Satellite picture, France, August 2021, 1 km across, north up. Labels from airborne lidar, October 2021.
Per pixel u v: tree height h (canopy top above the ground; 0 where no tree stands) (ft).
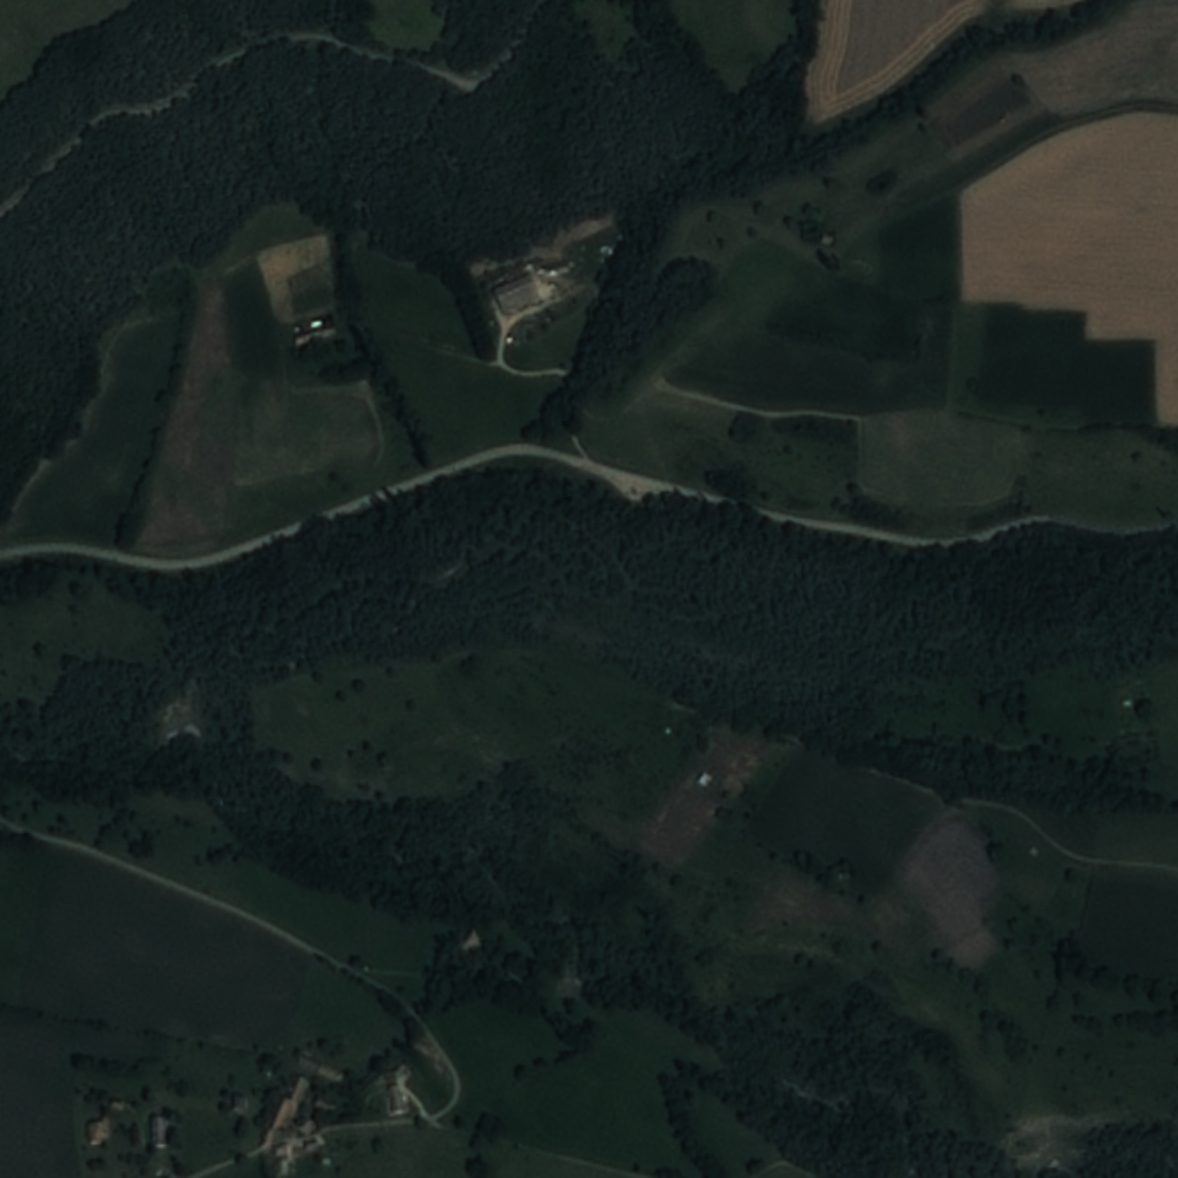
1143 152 0
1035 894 0
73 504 0
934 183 0
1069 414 0
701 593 33
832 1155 58
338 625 29
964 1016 0
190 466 0
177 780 37
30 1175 0
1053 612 41
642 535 36
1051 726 0
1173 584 28
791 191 0
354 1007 0
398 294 0
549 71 61
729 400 0
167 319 0
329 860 55
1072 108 0
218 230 40
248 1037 0
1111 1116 0
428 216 30
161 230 36
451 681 0
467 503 28
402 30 0
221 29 33
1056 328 0
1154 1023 37
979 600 54
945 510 0
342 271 52
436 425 0
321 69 49
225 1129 0
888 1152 27
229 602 38
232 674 24
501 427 0
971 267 0
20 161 38
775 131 60
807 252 0
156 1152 57
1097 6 54
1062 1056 24
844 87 0
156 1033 21
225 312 0
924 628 41
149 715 41
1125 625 41
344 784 0
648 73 39
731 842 0
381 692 0
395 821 73
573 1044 70
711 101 50
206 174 35
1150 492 0
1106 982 62
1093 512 0
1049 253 0
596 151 33
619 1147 0
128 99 32
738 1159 0
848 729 61
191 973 0
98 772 51
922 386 0
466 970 24
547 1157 0
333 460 0
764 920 0
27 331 48
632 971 21
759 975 0
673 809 0
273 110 40
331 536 97
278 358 0
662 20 58
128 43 40
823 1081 51
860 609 34
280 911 0
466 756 0
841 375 0
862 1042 39
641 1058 0
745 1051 26
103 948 0
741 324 0
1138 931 0
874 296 0
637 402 0
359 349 21
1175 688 0
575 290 0
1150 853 0
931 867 0
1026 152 0
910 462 0
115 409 0
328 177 48
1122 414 0
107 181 44
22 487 43
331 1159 0
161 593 62
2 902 0
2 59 0
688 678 27
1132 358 0
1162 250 0
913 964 0
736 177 68
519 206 35
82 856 0
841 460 0
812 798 0
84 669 26
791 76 50
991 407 0
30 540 0
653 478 0
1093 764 31
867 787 0
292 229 0
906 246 0
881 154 0
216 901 0
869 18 0
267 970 0
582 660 0
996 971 0
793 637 24
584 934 82
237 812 19
